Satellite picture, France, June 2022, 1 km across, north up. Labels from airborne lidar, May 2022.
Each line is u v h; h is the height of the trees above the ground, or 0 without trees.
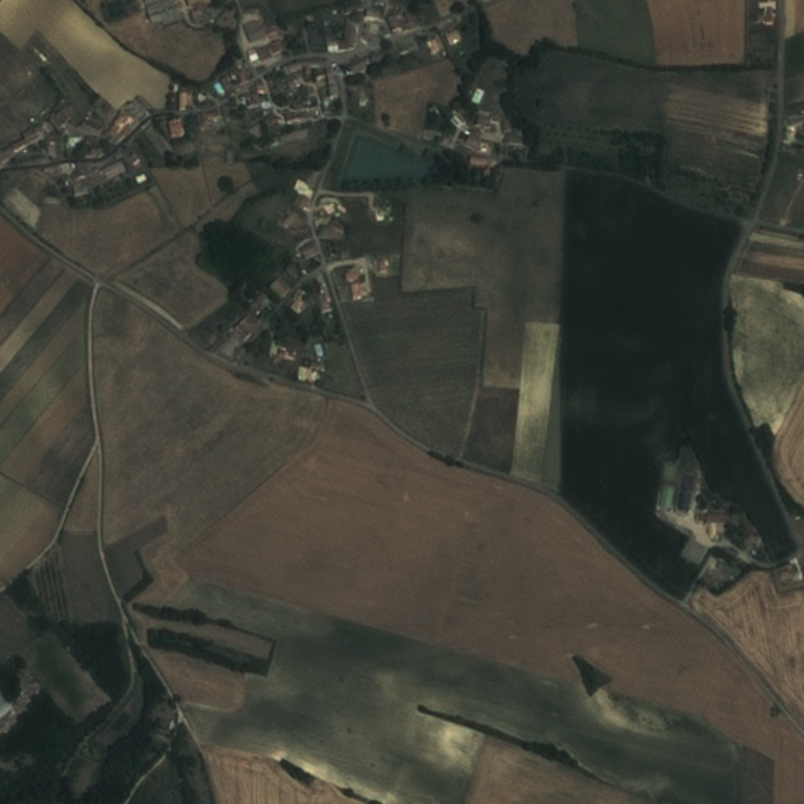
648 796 0
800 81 0
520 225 0
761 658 0
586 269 0
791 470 0
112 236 0
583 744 0
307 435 0
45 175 0
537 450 0
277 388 0
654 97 0
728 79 0
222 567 0
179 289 0
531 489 0
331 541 0
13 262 0
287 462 0
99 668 12
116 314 0
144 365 0
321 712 0
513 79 10
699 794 0
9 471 0
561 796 0
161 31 0
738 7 0
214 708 0
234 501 0
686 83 0
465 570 0
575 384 0
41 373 0
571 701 0
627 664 0
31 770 11
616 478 0
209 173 0
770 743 0
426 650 0
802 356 0
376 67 16
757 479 0
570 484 0
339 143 0
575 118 0
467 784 0
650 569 0
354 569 0
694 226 0
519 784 0
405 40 0
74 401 0
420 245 0
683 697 0
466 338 0
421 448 0
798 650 0
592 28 0
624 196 0
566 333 0
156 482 0
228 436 0
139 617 0
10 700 14
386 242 0
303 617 0
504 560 0
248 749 0
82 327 0
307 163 12
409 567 0
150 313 0
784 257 0
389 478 0
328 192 0
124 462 0
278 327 6
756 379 0
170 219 0
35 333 0
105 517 0
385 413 0
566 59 0
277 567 0
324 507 0
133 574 0
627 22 0
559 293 0
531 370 0
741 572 6
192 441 0
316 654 0
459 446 0
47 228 0
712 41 0
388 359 0
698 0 0
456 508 0
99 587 0
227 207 0
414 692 0
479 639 0
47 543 0
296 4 0
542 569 0
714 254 0
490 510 0
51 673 0
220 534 0
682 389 0
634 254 0
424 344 0
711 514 0
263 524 0
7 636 0
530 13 0
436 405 0
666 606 0
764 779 0
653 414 0
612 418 0
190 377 0
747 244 0
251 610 0
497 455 0
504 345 0
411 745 0
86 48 0
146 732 9
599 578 0
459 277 0
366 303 0
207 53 0
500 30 0
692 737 0
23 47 0
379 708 0
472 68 18
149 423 0
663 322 0
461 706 0
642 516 0
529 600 0
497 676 0
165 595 0
